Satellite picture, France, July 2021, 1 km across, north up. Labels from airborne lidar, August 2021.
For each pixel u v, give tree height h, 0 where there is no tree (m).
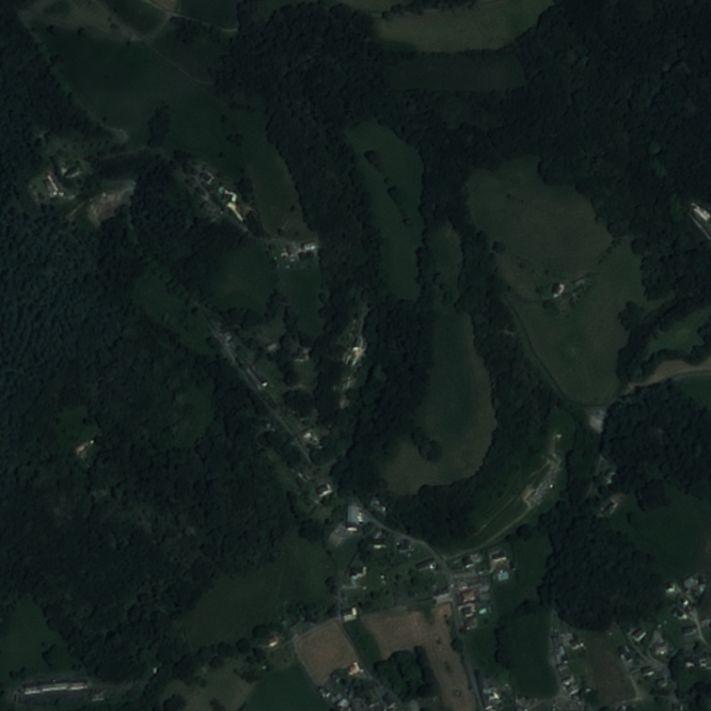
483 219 0
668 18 19
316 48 14
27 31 10
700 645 16
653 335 16
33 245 27
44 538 26
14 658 0
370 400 31
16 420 26
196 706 0
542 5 0
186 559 19
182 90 0
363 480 25
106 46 0
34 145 25
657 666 0
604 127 28
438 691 21
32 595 20
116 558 28
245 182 13
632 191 25
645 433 20
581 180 23
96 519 26
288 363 16
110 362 23
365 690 10
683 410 20
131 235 19
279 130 17
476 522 0
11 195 17
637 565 24
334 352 16
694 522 0
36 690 0
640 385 0
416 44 0
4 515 21
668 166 27
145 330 13
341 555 0
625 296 0
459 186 26
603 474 7
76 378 16
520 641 0
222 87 16
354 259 24
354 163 25
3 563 23
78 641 20
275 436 18
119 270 16
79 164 15
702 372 0
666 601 20
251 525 24
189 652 20
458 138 16
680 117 23
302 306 0
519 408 24
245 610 0
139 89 0
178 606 22
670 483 13
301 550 0
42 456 28
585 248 0
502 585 0
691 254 15
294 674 0
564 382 0
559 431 0
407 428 28
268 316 12
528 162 0
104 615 30
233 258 0
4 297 23
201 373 12
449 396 0
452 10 0
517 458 31
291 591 0
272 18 0
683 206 20
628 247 0
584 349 0
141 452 24
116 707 9
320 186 24
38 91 13
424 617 0
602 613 20
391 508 20
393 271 0
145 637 23
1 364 27
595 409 0
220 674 0
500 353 28
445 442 0
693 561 0
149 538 24
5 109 27
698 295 23
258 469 21
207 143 0
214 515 28
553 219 0
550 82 25
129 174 6
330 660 0
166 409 22
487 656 0
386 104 20
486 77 0
